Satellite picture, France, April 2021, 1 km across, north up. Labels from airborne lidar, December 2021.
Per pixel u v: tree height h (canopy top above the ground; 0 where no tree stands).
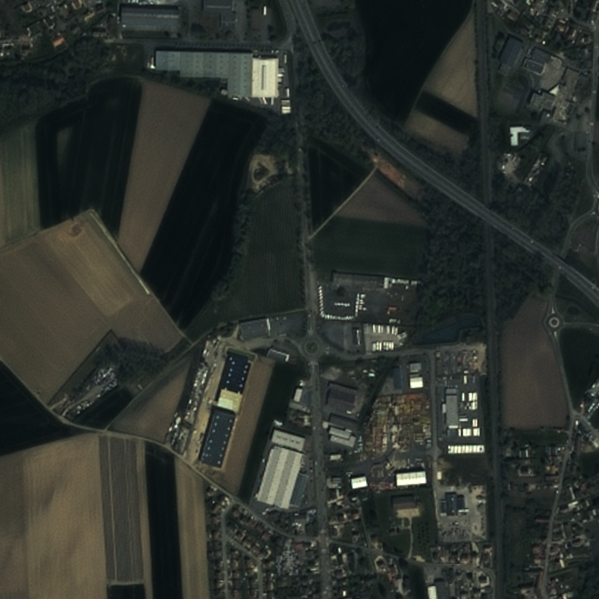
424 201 10
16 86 21
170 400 0
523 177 0
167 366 31
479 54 0
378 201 0
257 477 0
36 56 0
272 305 0
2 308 0
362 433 0
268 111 7
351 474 0
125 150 0
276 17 0
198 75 0
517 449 12
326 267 0
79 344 0
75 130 0
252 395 0
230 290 9
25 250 0
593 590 8
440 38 0
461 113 0
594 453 0
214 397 0
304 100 27
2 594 0
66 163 0
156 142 0
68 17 6
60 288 0
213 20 0
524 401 0
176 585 0
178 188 0
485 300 16
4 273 0
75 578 0
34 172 0
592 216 0
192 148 0
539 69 0
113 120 0
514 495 0
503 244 26
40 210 0
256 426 0
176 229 0
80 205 0
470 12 0
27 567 0
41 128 0
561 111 0
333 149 0
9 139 0
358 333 0
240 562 0
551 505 0
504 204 28
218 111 0
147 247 0
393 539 0
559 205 21
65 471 0
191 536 0
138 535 0
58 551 0
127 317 0
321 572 0
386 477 0
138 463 0
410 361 0
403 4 0
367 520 0
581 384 0
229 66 0
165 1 0
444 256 30
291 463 0
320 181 0
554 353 0
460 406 0
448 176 10
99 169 0
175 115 0
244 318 0
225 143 0
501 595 0
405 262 0
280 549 7
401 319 0
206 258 0
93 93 0
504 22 0
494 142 10
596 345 0
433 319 13
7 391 0
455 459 0
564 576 0
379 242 0
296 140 22
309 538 0
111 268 0
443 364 0
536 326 0
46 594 0
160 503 0
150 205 0
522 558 0
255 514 0
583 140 0
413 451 0
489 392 7
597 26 0
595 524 0
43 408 0
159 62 0
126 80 0
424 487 7
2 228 0
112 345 0
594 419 0
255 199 12
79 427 0
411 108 0
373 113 30
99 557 0
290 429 0
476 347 0
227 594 0
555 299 0
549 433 0
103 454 0
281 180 15
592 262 0
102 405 0
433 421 0
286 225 0
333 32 0
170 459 0
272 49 7
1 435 0
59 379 0
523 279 20
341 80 0
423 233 0
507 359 0
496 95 0
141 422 0
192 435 0
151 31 0
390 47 0
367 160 22
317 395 0
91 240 0
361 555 13
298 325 0
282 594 6
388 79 0
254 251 0
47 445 0
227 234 0
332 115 29
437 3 0
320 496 0
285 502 0
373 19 0
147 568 0
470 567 0
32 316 0
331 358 0
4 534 0
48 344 0
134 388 0
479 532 0
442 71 0
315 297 0
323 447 0
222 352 0
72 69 6
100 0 0
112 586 0
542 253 0
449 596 0
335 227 0
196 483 0
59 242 0
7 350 0
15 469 0
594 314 0
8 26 6
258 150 10
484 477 0
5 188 0
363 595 0
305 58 29
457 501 0
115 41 0
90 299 0
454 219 29
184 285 0
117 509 0
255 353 0
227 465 0
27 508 0
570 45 10
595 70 0
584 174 0
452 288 8
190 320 0
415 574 0
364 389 0
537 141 11
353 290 0
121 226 0
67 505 0
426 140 0
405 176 0
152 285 0
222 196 0
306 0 0
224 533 0
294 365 0
